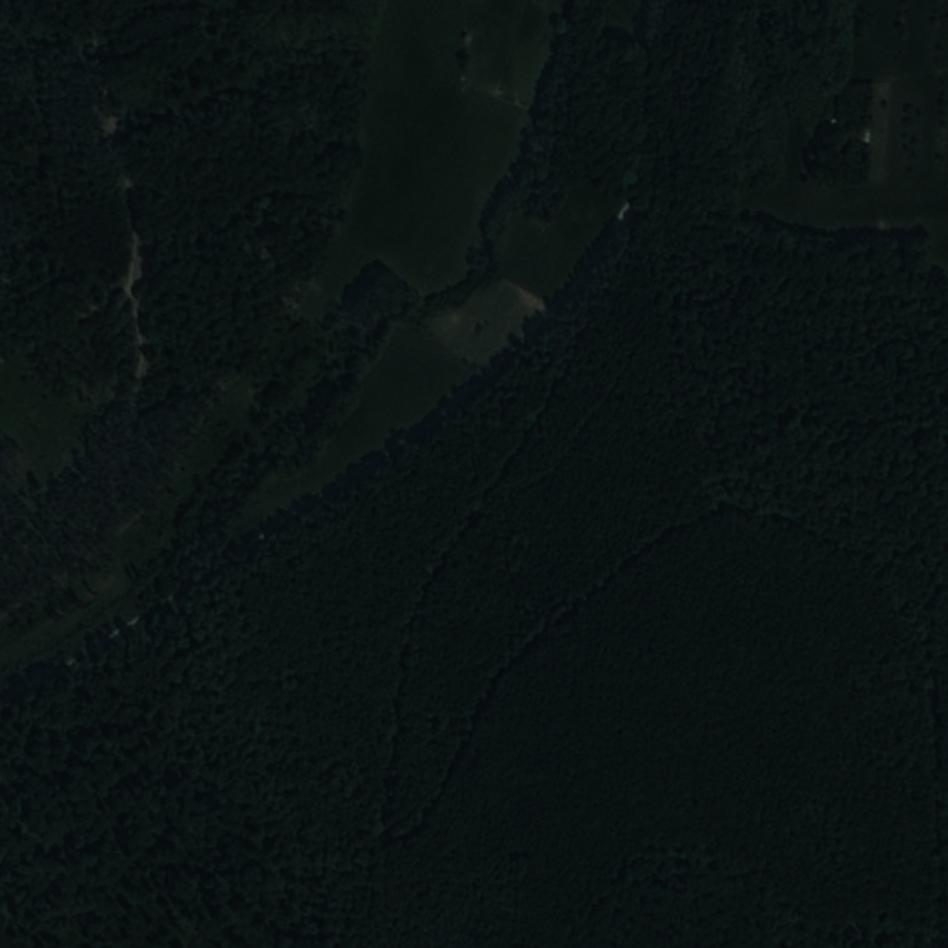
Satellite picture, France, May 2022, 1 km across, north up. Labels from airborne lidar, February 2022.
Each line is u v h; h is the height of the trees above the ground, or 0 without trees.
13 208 21
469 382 0
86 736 32
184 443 28
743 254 32
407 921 20
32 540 28
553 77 21
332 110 22
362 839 26
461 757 22
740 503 23
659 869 25
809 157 12
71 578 28
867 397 30
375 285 27
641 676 24
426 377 0
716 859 24
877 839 25
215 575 25
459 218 0
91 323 10
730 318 31
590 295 30
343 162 29
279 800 25
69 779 34
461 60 16
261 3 26
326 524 26
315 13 24
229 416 0
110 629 0
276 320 25
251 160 34
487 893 21
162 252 28
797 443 31
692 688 23
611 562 24
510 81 0
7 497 25
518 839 24
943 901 28
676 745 22
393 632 23
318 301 0
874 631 24
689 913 27
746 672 21
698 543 25
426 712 25
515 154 0
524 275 0
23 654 0
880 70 0
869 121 7
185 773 30
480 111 0
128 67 28
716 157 29
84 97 20
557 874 24
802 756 24
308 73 22
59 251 13
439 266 0
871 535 28
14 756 29
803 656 23
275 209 32
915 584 31
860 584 26
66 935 32
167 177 26
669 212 25
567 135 28
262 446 0
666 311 26
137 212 27
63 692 31
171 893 31
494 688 20
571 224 0
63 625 0
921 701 26
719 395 30
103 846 32
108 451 21
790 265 32
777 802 24
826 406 30
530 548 25
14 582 22
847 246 28
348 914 24
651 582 25
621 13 0
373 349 29
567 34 21
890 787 23
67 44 22
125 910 31
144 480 26
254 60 25
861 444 31
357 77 23
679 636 22
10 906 31
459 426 28
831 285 33
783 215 0
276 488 0
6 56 25
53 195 9
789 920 23
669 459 24
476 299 0
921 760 28
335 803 23
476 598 25
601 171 27
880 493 32
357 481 26
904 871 26
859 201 0
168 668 24
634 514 23
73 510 23
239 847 31
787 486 30
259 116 27
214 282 29
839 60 18
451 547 27
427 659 25
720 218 26
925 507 29
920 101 0
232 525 25
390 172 0
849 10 13
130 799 32
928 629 29
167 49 29
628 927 29
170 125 24
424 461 25
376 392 0
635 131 29
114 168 19
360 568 26
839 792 22
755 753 23
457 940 18
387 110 0
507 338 0
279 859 25
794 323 29
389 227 0
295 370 29
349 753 23
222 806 32
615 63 28
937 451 30
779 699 22
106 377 0
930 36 0
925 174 0
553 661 26
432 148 0
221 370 22
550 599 27
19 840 34
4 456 22
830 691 25
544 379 26
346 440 0
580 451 22
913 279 29
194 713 24
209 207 30
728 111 21
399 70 0
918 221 0
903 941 31
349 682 25
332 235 12
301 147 29
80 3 27
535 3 0
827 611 24
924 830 27
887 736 23
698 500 23
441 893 22
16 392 0
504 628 26
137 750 29
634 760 22
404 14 0
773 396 32
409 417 0
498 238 25
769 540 24
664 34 28
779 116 19
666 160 26
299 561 28
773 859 25
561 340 26
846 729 24
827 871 25
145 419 27
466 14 0
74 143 7
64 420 0
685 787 23
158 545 0
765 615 25
